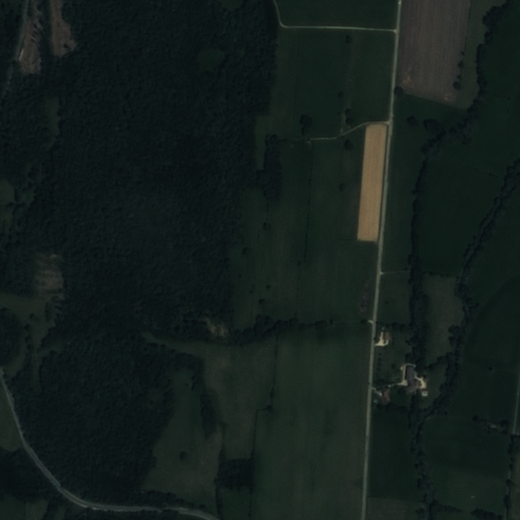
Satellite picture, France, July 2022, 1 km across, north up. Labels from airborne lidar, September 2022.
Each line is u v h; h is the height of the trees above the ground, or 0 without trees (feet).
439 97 0
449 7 0
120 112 65
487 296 0
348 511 0
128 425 59
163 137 81
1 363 46
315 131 0
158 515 45
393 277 0
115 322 85
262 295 0
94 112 73
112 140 45
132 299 77
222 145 82
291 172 0
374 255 0
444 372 0
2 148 62
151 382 64
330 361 0
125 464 62
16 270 71
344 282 0
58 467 31
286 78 0
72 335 45
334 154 0
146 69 68
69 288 65
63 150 77
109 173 68
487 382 0
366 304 0
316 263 0
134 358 63
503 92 0
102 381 23
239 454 0
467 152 0
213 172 35
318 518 0
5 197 0
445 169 0
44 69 61
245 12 66
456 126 0
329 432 0
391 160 0
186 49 79
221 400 0
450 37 0
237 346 30
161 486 0
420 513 0
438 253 0
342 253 0
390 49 0
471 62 0
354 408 0
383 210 0
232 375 0
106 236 40
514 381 0
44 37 63
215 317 47
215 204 63
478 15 0
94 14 54
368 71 0
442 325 0
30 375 43
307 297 0
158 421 49
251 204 0
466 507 0
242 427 0
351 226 0
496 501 0
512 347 0
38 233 37
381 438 0
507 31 0
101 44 75
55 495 35
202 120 85
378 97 0
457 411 0
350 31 0
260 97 76
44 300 0
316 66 0
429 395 0
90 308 66
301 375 0
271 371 0
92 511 48
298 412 0
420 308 116
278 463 0
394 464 0
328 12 0
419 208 68
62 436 52
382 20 0
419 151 0
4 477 43
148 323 52
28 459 63
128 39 60
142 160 66
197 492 0
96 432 37
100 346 45
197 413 0
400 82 0
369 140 0
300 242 0
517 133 0
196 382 33
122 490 56
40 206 38
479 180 0
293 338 0
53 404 40
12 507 0
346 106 0
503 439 0
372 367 0
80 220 30
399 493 0
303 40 0
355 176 0
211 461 0
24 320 0
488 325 0
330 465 0
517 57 0
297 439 0
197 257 46
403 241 0
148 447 68
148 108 94
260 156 0
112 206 21
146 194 36
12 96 66
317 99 0
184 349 0
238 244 54
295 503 0
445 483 0
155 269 28
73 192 54
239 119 59
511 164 0
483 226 39
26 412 48
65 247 50
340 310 0
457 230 0
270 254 0
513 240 0
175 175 72
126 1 33
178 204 31
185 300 54
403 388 24
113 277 65
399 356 0
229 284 44
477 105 54
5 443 0
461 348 45
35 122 79
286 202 0
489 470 0
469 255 42
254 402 0
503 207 59
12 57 56
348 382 0
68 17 60
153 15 43
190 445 0
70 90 30
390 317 0
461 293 27
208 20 77
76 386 29
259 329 67
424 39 0
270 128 0
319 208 0
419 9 0
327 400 0
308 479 0
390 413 41
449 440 0
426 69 0
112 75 73
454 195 0
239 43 68
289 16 0
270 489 0
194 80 87
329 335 0
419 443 57
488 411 0
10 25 30
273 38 22
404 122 0
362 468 0
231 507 0
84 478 25
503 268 0
